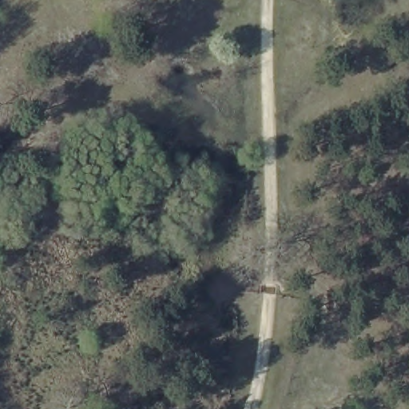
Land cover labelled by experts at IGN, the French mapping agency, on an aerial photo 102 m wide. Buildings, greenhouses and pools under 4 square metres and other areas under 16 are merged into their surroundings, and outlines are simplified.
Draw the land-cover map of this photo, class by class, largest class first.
<instances>
[{"label":"herbaceous vegetation","instance_id":"1","mask_svg":"<svg viewBox=\"0 0 409 409\"><path fill-rule=\"evenodd\" d=\"M141 8H144L147 14V22L141 27V34L144 35L141 48L149 50L152 61L147 62L145 66L123 67L110 53L109 42L91 32L86 22L91 11H109L115 14L121 10L123 13L133 11L136 14ZM262 0H0V163L5 158V153H32L37 163L59 177L62 149L66 141L64 118L89 109H105L107 117L113 115L118 120H123L126 115H136L137 121L145 131L152 134L153 141L157 142L165 157H168L169 153H176L177 157L189 155V160L193 165H197L201 153H206V166L214 173L224 171L227 174V184L217 190L216 198L212 200V214L209 217L214 233L212 240L198 238L197 252H190L184 264L177 256L169 257L168 262L161 260L158 267L163 268L166 275L147 276L145 280L141 278L134 281L129 296H120L115 289L107 288L104 281H101L97 283L99 292L96 300L83 299L78 294L72 297V300L81 312H85L89 320L93 321L97 332L99 348L91 355H85L80 363L73 367L43 371L32 379L35 390L43 396V403L40 404L42 409H91L88 406L91 393H99L104 399L113 401V409H177L173 401L158 388L149 391L147 395L137 393L133 385L126 380L125 374L128 371L126 363L131 358V347L136 339V332L129 329L126 324L133 304V294H144L150 305H153L160 297V292L165 291L169 284L173 283L181 284L184 288L187 305L177 310V316L171 315L166 320V337L173 340L174 345L182 351L200 353L203 358L208 359L209 372L216 380L214 385H204L198 395L190 396V406L187 409H246L244 406L249 398V387L252 379L256 377L260 312L264 297V294L259 292L248 291L257 281L262 280L256 270L236 264L240 257L232 251L235 244L241 248L243 236H252L249 227L264 216L265 163L259 160L251 168L246 169L235 157L246 142L252 147L259 145L264 139L260 81ZM214 30L225 40L235 43L238 48V59L232 66L219 64L209 51V37ZM38 48H45L53 56L51 62L54 69L48 70L46 86L30 85L24 80L22 73L21 62L24 53H34ZM21 99L46 102L45 117L42 118L45 125L38 131L35 128L27 129L30 137L22 141L21 133L11 129L14 110ZM383 14L385 18L393 21L395 34L398 30L409 32V0H273L272 30L275 42L270 46V50H273L276 133V251L273 252L276 256V280L270 288H278V291L275 294L272 337L268 351V363L272 366L264 372V387L259 399L264 409H390L383 398L387 396L385 387L395 379L401 385V399L393 409H409V329L399 323L398 312L385 308V300L391 292H395L401 302L409 304V125L406 121L398 120V117H383L380 134L385 150L379 158H375L367 155V141L372 137V129H364L361 133L356 131L350 118V107L374 97L382 99V94L390 91L398 80L406 83L409 104V66L390 61L387 51L367 42L363 27ZM343 45L347 46L348 64L355 69V73H348L347 77H343L342 85L337 88L329 85L315 86L316 62L324 58V53L331 46ZM334 109H339L340 129L345 136V150L351 158V163L361 169L364 166H374L377 174L375 181L364 184L355 177L345 176L342 165L337 161L329 166L326 179L316 176L324 163L323 153H326L331 144V120L328 112ZM308 121H315V141L312 150L318 155L305 163L291 161L288 158L289 142L292 137L302 134L299 125ZM305 182L312 184L315 201L310 203L308 208H294L289 203V193L294 189H300ZM340 192L353 193L358 200H371L383 216L393 220L395 230L383 246L391 252L395 264L385 272L382 273L380 270V260L372 251L375 232H372L367 224L366 217L347 206H340L342 211L339 219L329 216V206L340 204ZM328 224L340 225V236L337 241L328 244L329 251L334 252L336 259L345 260L350 254L345 249L347 241L355 243L359 248V267L363 275L364 289H375L379 294L372 304L364 308L363 320L371 324L351 339L350 332L343 326L350 315L351 305L343 300H334L332 288H342L343 284L355 283V276L347 272L340 278H332L315 259L316 238L321 230L328 228ZM296 272H300V278L305 281L308 296L312 297L313 304L316 305L318 318L315 328L308 331L310 339L300 343V350L289 356L281 353L278 342L291 337V321L296 318L297 308L300 307L294 292H284L283 284L284 276L294 275ZM371 337L374 340L369 343V347L374 353L363 359H353L356 340ZM375 364L382 366L383 380L374 387L372 395L369 398L363 395H350L345 388L347 377H359ZM35 220L34 232L30 233V238L40 241L38 249L58 256L62 264L66 265V268H62L61 280L56 281L54 286H48L45 289V296L53 291L78 292V270L73 268L72 262L81 257L83 249L73 248L80 240L81 233L73 230L75 225L62 214L59 200H54L53 203H46L35 216H30ZM32 262V256L21 248L8 249L6 246H0V409H26L13 398L10 388L11 345L14 342L18 347L26 345V302L22 299L21 289L27 288L32 278L29 264ZM35 337L42 340V345H30V356L34 366L42 364L48 348L61 350L64 342L62 337L54 336L53 332H48V337H45L43 332H37Z\"/></svg>","mask_w":409,"mask_h":409},{"label":"deciduous trees","instance_id":"2","mask_svg":"<svg viewBox=\"0 0 409 409\"><path fill-rule=\"evenodd\" d=\"M147 22V14L144 8H141L136 14L133 11L123 13L121 10L115 14L109 11H91L86 22L91 32L109 42L110 53L123 67L145 66L147 62L152 61L149 50L141 48L144 35L141 34V27ZM209 51L219 64L232 66L238 59V48L235 43L225 40L214 30L209 37ZM53 56L45 48H38L34 53H24L21 62L22 73L24 80L30 85L46 86L48 70L54 69L51 62ZM66 141L62 149L59 177L37 163L32 153H5V158L0 163V246H6L8 249L21 248H24V244L30 238V233L34 232L35 220L30 216H35L46 203H53L54 200H59L62 214L75 225L73 230L81 233H94L97 238H102L107 246L133 249L134 256H147L150 252L158 251L161 260L168 262L169 257L177 256L184 264L190 252H197L198 238L212 240L214 233L209 217L212 214V200L216 198L217 190L227 184V174L224 171L214 173L206 166V153H201L197 165H193L189 160V155L177 157L176 153H169L168 157H165L157 142L153 141L152 134L145 131L137 121L136 115H126L123 120H118L113 115L107 117L105 109H89L64 118ZM235 157L246 169L251 168L259 160L265 163L267 158L262 155L259 145L252 147L246 142ZM252 236H243L241 248L235 244L232 251L240 257L236 264L256 270L262 280L265 264L264 216L249 227ZM50 320V316H48V313H46L45 307H43V305H38L37 312L34 313V316H32V326H34V329L37 328V326H40V324H42L43 326V324L46 323V321ZM80 351L85 355H91L99 348L97 332L88 329L78 332ZM88 406L91 409H113V401L104 399L99 393H91Z\"/></svg>","mask_w":409,"mask_h":409},{"label":"coniferous trees","instance_id":"3","mask_svg":"<svg viewBox=\"0 0 409 409\"><path fill-rule=\"evenodd\" d=\"M367 42L387 51L390 61L409 66V32L398 30L395 34L393 21L385 18L383 14L363 27ZM348 73H355V69L348 64L347 46L343 45L331 46L324 53V58L316 62L315 86L329 85L337 88L342 85L343 77H347ZM383 117H398V120L406 121L409 125V104L406 83L398 80L390 91L382 94V99L374 97L350 107V118L356 131L361 133L364 129H372V137L367 141V155L375 158H379L385 150L380 134ZM46 102L21 99L14 110L11 129L21 133L22 141L30 137L27 129L35 128L38 131L45 125L42 118L45 117ZM331 120V144L326 153H323L324 163L316 176L326 179L329 166L337 161L342 165L345 176L355 177L364 184L375 181L377 174L374 166H364L361 169L351 163V158L345 150V136L340 129L339 109H334L328 112ZM302 134L292 137L289 142L288 158L291 161L305 163L318 155L312 150L315 141V121H308L299 125ZM315 201L312 184L305 182L300 189H294L289 193V203L294 208H308L310 203ZM340 204L329 206V216L339 219L342 211L340 206H347L366 217L367 224L372 232H375L372 251L380 260V270L382 273L385 272L395 264L391 252L383 246L395 230L393 220L383 216L371 200H358L353 193L340 192ZM340 225L328 224V228L321 230L316 238L315 259L332 278H340L347 272L355 276V283L343 284L342 288H332L334 300H343L351 305L350 315L343 326L350 332L351 339L371 324L363 320L364 308L372 304L379 294L375 289H364L363 275L359 267V248L355 243L347 241L345 249L350 254L345 260L336 259L334 252L329 251L328 244L337 241L340 236ZM73 268L78 270V294L83 299L96 300L99 292L97 283L101 281H104L107 288L115 289L126 283L125 278L118 273L117 264L105 267L102 278H91L93 265L89 264L86 257H81L72 262ZM283 284L284 292H294L300 307L297 308L296 318L291 321V337L278 342L281 353L289 356L300 350V343L310 339L308 331L315 328L318 318L316 305L313 304L312 297L308 296L305 281L300 278V272H296L294 275L284 276ZM187 305L184 288L181 284L173 283L169 284L165 291L160 292V297L153 305H150L144 294H133V304L126 324L129 329L136 332V339L131 347V358L126 363L128 371L125 374L126 380L133 385L137 393L147 395L149 391L158 388L173 401L177 409H187L190 406V396L198 395L204 385H214L216 380L209 372L208 359L203 358L200 353L182 351L174 345L173 340L166 337V320L171 315L177 316V310ZM385 308L398 312L399 323L409 329V304L401 302L395 292H391L385 300ZM374 340L371 337L356 340L353 359H363L374 353L369 347V343ZM382 366L375 364L359 377H347L345 388L350 395H363L369 398L372 395L374 387L383 380ZM387 396L383 398L390 409H393L401 399V385L395 379L385 387Z\"/></svg>","mask_w":409,"mask_h":409},{"label":"brushwood","instance_id":"4","mask_svg":"<svg viewBox=\"0 0 409 409\"><path fill-rule=\"evenodd\" d=\"M83 249L81 257H86L89 264L93 265L91 278H102L105 267L117 264L118 273L125 278L126 283L115 289L120 296H129L134 281L141 278L145 280L147 276L166 275L163 268L158 267L161 260L158 251L150 252L147 256H134L133 249L107 246L102 238H97L94 233H81L80 240L73 248ZM40 241L30 238L24 244V248H21L32 256V262L29 264L32 278L27 288L21 289L22 299L26 302V345L18 347L14 342L11 345L10 388L13 398L26 409H42L40 404L43 403V396L35 390L32 379L43 371L73 367L80 363L85 355L80 351L78 332L88 329L97 332L93 321L89 320L85 312H81L72 300V297L78 294V292L53 291L45 296V289L48 286H54L56 281L61 280L62 268H66V265L62 264L58 256L38 249ZM38 305H43V307H45L46 313H48V316H50V320L46 321V323L43 324V326L42 324H40V326H37V328L34 329V326H32V316H34V313L37 312ZM37 332H43L45 337H48V332H53L54 336L62 337L64 342L61 350L48 348L42 364L34 366L30 356V345H42V340L35 337Z\"/></svg>","mask_w":409,"mask_h":409},{"label":"pervious surface","instance_id":"5","mask_svg":"<svg viewBox=\"0 0 409 409\"><path fill-rule=\"evenodd\" d=\"M273 0H262L260 81L264 139L259 145L262 155L267 158L265 163L264 216L265 264L262 280L257 281L248 291L259 292L264 294V297L260 312L256 377L252 379L249 387V398L244 406L246 409H264L259 399L264 387V372L272 366L268 363V351L272 337L275 294L278 291V288H270L276 280V256L273 252L276 251V133L273 50H270V46L275 42L272 30Z\"/></svg>","mask_w":409,"mask_h":409}]
</instances>
